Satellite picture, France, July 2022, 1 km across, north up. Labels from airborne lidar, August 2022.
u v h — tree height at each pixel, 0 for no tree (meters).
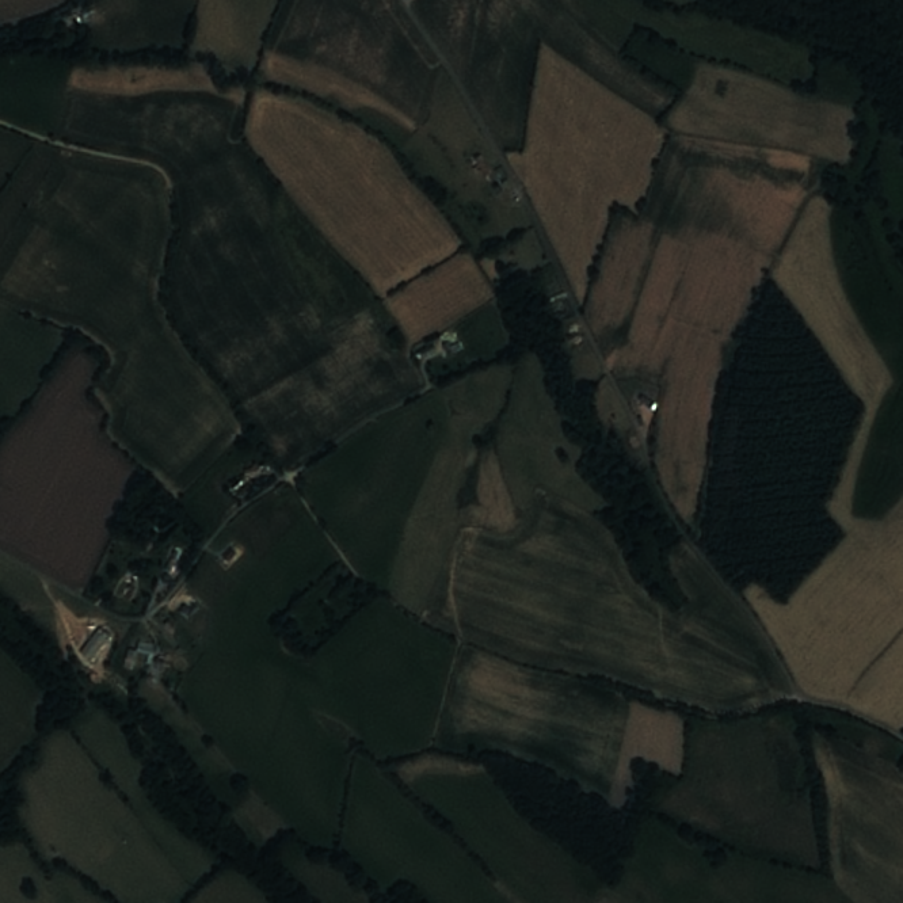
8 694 0
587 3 0
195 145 0
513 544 0
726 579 14
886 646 0
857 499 0
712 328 0
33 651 8
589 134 0
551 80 0
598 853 15
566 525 0
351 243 0
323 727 0
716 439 8
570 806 15
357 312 0
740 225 0
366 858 0
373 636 0
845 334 0
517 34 0
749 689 0
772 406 19
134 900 0
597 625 0
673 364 0
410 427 0
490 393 0
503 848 0
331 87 0
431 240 0
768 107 0
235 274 0
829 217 0
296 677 0
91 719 0
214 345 0
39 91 0
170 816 9
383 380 0
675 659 0
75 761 0
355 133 0
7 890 0
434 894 0
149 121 0
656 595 18
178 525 14
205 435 0
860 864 0
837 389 19
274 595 0
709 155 0
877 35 15
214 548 0
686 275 0
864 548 0
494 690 0
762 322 17
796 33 24
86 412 0
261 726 0
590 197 0
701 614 0
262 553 0
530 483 0
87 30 13
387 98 0
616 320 0
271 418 0
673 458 0
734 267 0
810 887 0
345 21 0
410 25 0
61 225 0
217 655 0
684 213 0
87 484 0
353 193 0
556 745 0
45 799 0
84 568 0
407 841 0
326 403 0
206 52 0
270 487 11
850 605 0
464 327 0
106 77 0
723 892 0
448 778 0
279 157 0
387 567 0
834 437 20
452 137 0
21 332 0
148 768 10
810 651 0
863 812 0
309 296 0
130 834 0
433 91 0
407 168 13
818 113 0
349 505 0
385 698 0
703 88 0
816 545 21
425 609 0
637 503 12
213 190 0
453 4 0
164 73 0
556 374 0
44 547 0
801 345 21
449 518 0
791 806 0
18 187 0
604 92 0
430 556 0
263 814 0
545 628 0
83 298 0
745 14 11
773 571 18
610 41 0
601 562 0
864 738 0
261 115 0
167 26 0
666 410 0
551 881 0
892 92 21
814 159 0
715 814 0
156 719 15
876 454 0
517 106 0
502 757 13
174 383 0
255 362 0
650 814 13
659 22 0
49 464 0
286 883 16
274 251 0
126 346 0
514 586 0
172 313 7
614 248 0
